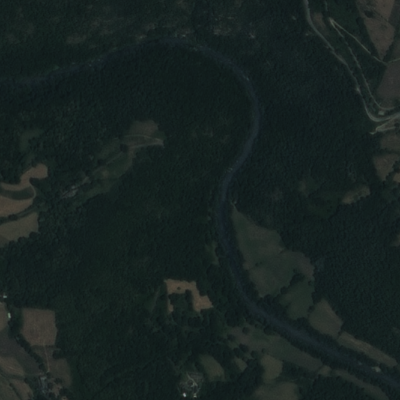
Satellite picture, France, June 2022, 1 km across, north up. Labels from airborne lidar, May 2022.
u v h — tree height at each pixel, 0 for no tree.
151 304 0
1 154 21
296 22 12
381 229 12
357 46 7
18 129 13
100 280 10
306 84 9
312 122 9
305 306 0
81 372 15
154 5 11
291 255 0
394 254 16
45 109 16
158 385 19
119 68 29
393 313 16
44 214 13
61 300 12
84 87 20
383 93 0
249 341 0
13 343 0
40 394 6
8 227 0
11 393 0
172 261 20
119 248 10
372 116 0
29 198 0
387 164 0
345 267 12
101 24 7
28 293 8
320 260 20
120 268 17
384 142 0
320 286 13
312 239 16
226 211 31
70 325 12
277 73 14
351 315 15
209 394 8
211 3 11
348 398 10
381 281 16
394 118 0
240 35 6
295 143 16
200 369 12
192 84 23
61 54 21
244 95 22
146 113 14
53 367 0
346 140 17
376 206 12
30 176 0
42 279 18
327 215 0
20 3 11
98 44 9
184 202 14
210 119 14
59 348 15
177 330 18
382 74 12
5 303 8
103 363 14
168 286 0
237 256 34
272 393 0
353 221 15
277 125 16
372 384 12
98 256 14
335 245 22
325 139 14
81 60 16
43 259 20
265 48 15
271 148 12
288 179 11
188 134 10
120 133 12
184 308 0
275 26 12
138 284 16
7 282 8
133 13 11
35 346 0
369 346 0
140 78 25
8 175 13
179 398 16
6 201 0
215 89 19
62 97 22
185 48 19
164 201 18
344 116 17
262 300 11
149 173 10
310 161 16
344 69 13
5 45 11
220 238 29
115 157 0
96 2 9
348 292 13
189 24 14
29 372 0
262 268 0
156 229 19
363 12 0
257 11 13
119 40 10
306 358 0
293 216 17
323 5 7
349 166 18
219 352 14
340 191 15
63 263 17
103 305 14
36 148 11
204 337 23
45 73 22
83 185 11
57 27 12
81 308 19
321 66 23
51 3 7
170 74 21
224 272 9
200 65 13
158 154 10
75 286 14
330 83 18
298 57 11
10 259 16
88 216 17
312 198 14
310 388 12
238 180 22
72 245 19
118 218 10
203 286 20
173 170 18
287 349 0
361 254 9
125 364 21
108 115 20
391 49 11
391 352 15
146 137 0
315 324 0
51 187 9
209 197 16
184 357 0
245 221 0
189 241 22
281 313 26
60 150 16
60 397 8
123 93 19
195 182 11
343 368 17
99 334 16
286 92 7
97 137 8
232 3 10
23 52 16
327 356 22
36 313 0
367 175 19
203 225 19
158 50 19
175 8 10
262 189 6
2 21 13
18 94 25
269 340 0
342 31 13
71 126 11
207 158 15
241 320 18
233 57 13
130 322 18
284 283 0
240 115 17
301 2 14
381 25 0
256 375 17
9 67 19
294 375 14
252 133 0
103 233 13
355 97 17
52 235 16
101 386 14
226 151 18
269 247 0
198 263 24
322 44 13
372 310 18
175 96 18
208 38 21
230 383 14
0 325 0
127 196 12
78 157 16
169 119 14
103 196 15
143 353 27
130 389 11
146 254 18
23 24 8
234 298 21
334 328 0
